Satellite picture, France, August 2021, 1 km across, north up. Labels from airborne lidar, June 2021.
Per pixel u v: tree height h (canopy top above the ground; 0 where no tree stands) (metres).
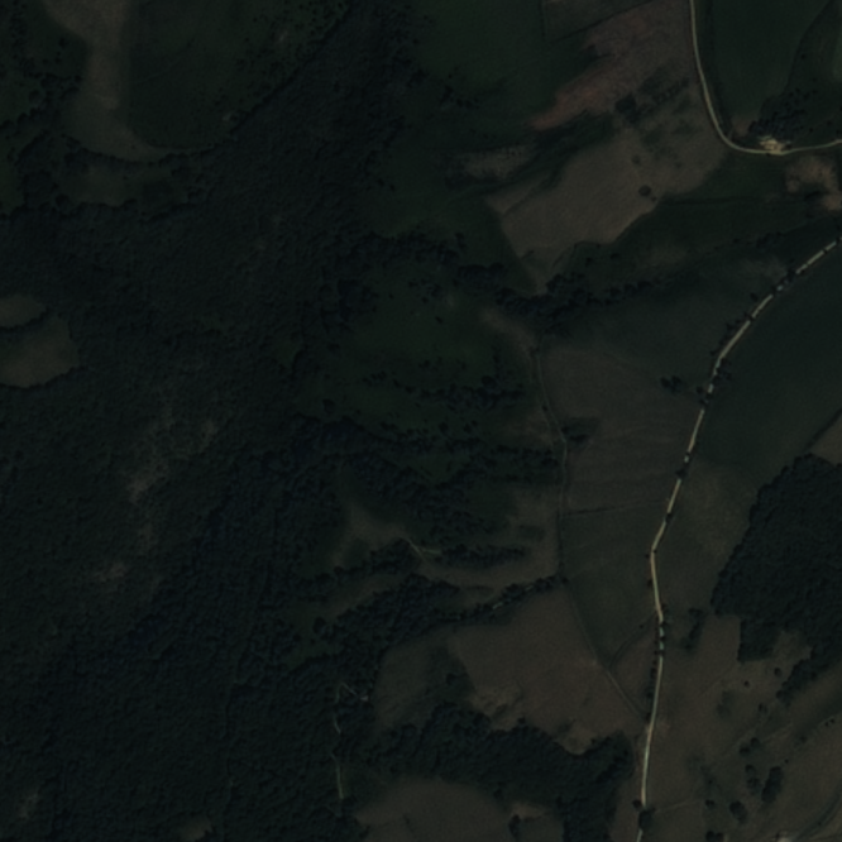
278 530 17
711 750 0
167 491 13
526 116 0
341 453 16
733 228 0
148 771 18
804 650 0
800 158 0
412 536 0
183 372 13
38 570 21
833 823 0
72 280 18
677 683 0
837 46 0
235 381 10
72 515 16
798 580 25
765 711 11
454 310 0
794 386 0
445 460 0
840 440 0
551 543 0
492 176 0
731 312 0
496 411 9
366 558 0
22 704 27
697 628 8
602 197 0
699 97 0
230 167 19
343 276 19
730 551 0
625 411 0
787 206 0
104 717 20
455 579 0
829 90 0
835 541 21
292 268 25
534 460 7
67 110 0
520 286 0
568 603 0
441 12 0
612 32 0
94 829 16
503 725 0
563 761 20
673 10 0
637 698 0
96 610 17
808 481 15
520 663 0
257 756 18
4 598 21
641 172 0
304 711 19
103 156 9
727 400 0
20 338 14
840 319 0
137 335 26
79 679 25
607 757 13
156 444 8
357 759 10
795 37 0
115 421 20
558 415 0
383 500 16
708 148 0
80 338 17
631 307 0
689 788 0
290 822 15
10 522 21
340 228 21
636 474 0
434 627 8
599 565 0
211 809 22
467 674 0
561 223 0
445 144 0
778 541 17
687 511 0
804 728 0
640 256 0
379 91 18
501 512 0
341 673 18
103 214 17
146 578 9
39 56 0
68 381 17
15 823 12
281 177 27
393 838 0
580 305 11
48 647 16
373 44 15
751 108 0
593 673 0
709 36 0
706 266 0
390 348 0
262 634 8
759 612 17
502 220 0
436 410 0
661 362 0
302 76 14
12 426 22
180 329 16
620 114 0
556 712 0
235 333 10
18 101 0
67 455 22
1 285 13
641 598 0
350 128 21
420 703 0
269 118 22
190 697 21
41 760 29
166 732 19
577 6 0
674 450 0
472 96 0
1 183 0
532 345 0
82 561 14
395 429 9
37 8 0
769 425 0
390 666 0
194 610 24
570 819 18
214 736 18
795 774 0
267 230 20
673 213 0
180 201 0
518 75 0
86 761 25
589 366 0
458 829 0
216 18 0
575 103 0
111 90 0
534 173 0
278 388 20
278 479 17
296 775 19
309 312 20
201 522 20
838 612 24
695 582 0
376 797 0
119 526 11
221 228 23
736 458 0
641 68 0
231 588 18
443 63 0
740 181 0
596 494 0
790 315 0
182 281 21
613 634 0
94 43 0
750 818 10
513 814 0
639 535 0
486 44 0
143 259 17
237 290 17
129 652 25
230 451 22
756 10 0
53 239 22
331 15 9
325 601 13
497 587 0
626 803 0
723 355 0
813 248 0
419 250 10
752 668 0
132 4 0
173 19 0
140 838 23
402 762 17
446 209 0
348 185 22
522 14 0
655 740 0
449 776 23
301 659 0
